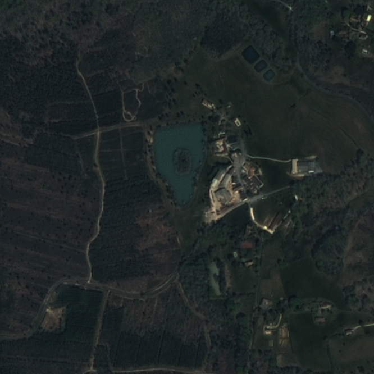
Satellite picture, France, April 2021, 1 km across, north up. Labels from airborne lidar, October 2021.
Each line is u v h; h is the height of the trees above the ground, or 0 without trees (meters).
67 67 19
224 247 14
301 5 21
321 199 20
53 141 9
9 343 9
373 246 0
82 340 10
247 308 0
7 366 11
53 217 6
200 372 0
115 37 8
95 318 10
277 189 0
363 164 19
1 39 19
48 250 0
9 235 0
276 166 0
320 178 17
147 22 15
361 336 0
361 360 0
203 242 12
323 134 0
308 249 0
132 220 12
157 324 7
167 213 7
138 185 8
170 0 18
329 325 0
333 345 0
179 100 0
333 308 11
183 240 0
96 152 0
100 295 13
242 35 12
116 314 12
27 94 22
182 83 0
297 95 0
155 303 0
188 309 7
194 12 22
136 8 15
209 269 10
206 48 19
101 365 11
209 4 16
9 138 10
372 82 0
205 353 10
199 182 0
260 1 7
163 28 18
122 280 13
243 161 0
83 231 9
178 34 20
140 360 12
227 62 0
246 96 0
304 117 0
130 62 6
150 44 17
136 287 13
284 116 0
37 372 9
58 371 9
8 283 8
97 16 18
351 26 13
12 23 20
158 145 0
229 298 10
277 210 0
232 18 6
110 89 9
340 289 0
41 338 11
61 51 14
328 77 0
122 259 12
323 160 0
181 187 0
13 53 13
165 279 9
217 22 10
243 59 0
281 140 0
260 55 0
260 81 0
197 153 0
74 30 16
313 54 25
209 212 0
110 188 12
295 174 0
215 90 0
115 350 11
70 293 10
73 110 8
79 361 8
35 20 16
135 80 11
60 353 9
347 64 0
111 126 7
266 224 0
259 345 0
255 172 6
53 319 0
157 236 13
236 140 13
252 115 0
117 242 12
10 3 22
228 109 0
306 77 14
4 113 17
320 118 0
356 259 0
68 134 10
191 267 13
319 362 0
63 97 20
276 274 0
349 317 0
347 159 0
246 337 19
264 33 22
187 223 0
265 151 0
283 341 0
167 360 11
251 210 0
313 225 10
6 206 11
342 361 0
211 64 0
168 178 0
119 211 11
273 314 9
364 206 0
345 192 25
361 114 0
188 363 12
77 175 11
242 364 28
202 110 0
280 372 14
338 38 12
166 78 0
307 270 0
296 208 16
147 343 11
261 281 0
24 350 9
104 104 9
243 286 0
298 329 0
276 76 0
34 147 12
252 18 20
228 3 27
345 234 27
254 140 0
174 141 0
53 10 11
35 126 20
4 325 7
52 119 7
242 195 0
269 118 0
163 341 13
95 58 7
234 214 0
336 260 14
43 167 11
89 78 7
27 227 0
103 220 9
